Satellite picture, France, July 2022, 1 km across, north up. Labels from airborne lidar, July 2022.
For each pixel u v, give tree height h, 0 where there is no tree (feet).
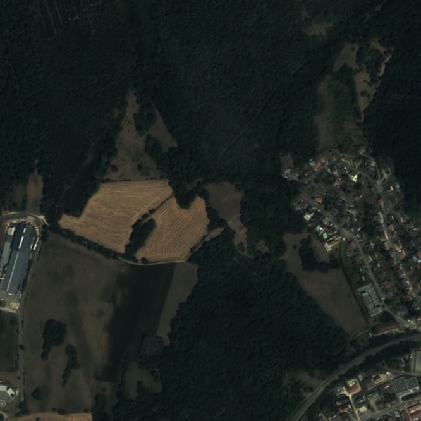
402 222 0
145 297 0
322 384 0
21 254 0
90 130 41
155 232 0
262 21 48
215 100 22
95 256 0
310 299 76
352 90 24
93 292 0
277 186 37
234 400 54
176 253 0
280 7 36
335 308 0
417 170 80
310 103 41
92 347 0
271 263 22
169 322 0
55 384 0
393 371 0
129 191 0
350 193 33
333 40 40
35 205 0
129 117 0
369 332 0
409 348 66
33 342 0
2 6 70
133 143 0
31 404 0
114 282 0
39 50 58
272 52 39
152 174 0
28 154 78
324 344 60
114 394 0
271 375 76
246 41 48
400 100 89
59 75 48
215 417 42
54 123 59
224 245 31
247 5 45
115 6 45
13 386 0
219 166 32
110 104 38
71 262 0
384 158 42
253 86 73
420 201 65
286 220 25
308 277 0
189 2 52
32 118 94
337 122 0
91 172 0
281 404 65
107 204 0
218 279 70
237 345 64
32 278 0
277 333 30
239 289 35
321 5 20
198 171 79
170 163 33
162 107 75
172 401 67
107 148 27
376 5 61
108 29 50
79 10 50
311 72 22
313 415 24
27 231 0
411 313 36
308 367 26
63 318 0
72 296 0
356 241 0
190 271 0
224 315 80
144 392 64
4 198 60
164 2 71
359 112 27
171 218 0
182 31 60
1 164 74
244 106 52
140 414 46
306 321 32
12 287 0
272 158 23
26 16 44
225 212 0
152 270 0
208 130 41
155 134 0
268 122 46
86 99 64
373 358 54
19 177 69
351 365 0
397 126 60
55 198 66
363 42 40
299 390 30
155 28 22
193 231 0
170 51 51
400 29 79
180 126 85
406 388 0
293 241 0
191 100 46
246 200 26
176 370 68
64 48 44
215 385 51
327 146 0
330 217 0
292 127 47
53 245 0
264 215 27
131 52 86
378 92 22
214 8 50
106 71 55
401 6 70
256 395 65
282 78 64
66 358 0
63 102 63
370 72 25
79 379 0
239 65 54
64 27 50
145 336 47
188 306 59
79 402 0
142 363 44
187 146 87
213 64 26
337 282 0
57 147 50
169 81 73
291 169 19
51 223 66
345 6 39
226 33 53
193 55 35
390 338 66
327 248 0
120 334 0
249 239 22
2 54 59
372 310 0
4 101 81
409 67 30
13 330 0
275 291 50
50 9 31
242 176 62
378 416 0
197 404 50
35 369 0
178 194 50
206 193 31
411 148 63
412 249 19
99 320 0
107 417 66
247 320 39
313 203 0
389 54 36
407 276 0
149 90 73
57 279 0
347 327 0
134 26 24
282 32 35
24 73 74
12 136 80
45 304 0
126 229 0
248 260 24
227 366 49
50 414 0
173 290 0
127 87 50
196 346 55
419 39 73
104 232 0
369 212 47
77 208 0
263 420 81
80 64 64
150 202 0
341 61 0
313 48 28
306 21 32
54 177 49
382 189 0
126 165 0
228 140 28
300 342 32
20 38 30
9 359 0
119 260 28
